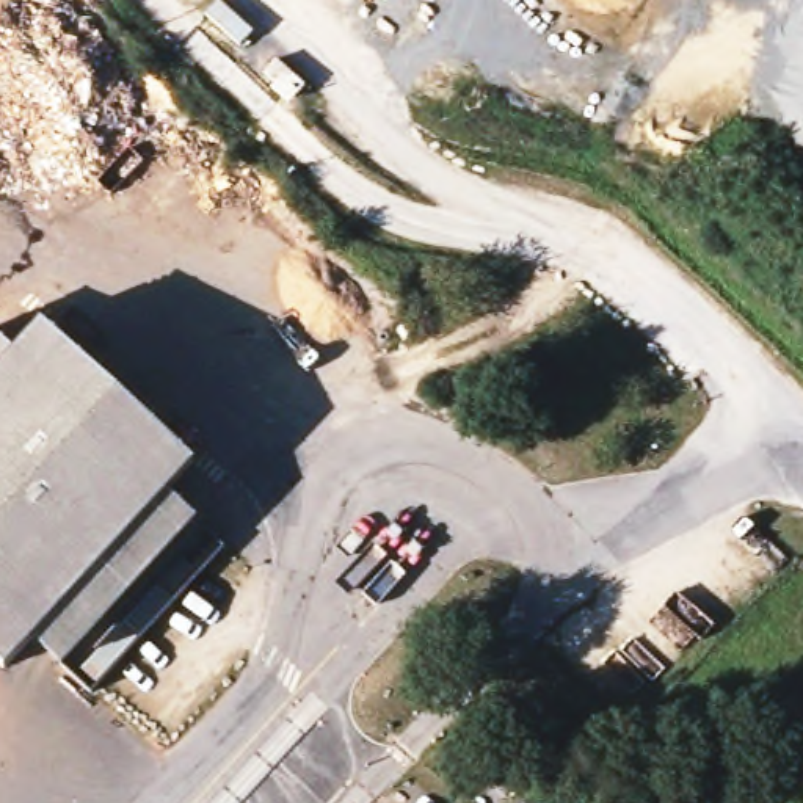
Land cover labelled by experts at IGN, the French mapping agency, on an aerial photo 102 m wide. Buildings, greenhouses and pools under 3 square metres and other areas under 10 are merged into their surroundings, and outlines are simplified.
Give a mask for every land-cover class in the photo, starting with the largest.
<instances>
[{"label":"impervious surface","instance_id":"1","mask_svg":"<svg viewBox=\"0 0 803 803\"><path fill-rule=\"evenodd\" d=\"M329 16L311 38H304L292 19H279L273 35L282 41L289 53H311L317 63L329 69V82L323 85L329 122L342 135H348L361 151H367L380 166L436 198V207L405 201L383 220V226L386 232L408 242L458 251H508L518 238H540L546 245L549 267H565L568 273L590 279L596 292H602L609 301L634 323L652 326L659 345L684 370V376H703L712 402L703 423L684 439V445L674 452V455H671V458H668V461H665L662 467H656V471H637L605 477L574 483H540L514 455L477 436H461L449 408H433L420 395V380L442 367L436 364L433 345L427 342H411L408 326L395 314L398 298L386 295L361 270V263L345 257L342 251L323 248L314 238L311 226L285 204L279 185L267 176L260 179V207L267 210V216L257 226L251 210L242 207L201 210V173L188 166L160 169L157 163L141 182L122 191H110L100 204H94L78 185L22 194L28 216L38 226L28 235H22L19 226L6 216V207H0V332L6 339H16L31 320H53L191 452L188 461L169 477L176 483V492L191 505V521L135 577V583L85 630V637L66 652V659H60L50 649H41L38 640L25 637L0 662V803H430L427 790L411 784L405 772L430 747L436 743V737H442L449 725L442 715L423 712L414 715V721L405 731L392 734L386 743L376 740L373 731H367L354 718V690L361 674L398 637L405 621L417 609L433 602L455 571L477 558H496L511 565V571L499 577L480 599L477 612L489 618V627L496 630V643L502 649V659L496 662V681L511 678L518 699L555 696L558 703L587 709L593 715L630 706H671L656 674H662L674 659L678 646L684 643V630L715 637L725 627H731V602L750 599V587L756 577H768L775 565L803 571V549H794L775 530V505L803 508V386L784 373V361L778 358V351H765L762 342H756L709 292L693 285L668 257H662L652 248L643 245L621 220L609 213L602 210L546 191L496 185L489 179L471 176L467 169L464 160L452 151H439V144H427L420 138L417 122L408 113V100L389 82L380 53L358 38L364 31L367 6L354 0H323Z\"/></svg>","mask_w":803,"mask_h":803},{"label":"pervious surface","instance_id":"2","mask_svg":"<svg viewBox=\"0 0 803 803\"><path fill-rule=\"evenodd\" d=\"M104 9L97 0H0V207H6V216L19 226L22 235H28L38 226L28 216L22 194L78 185L94 204H100L110 191H122L141 182L157 163L160 169L188 166L201 173V210L242 207L251 210L257 226L267 216V210L260 207V179L267 176L260 166L229 163L226 141L210 129L194 125L157 75L144 78L147 100L141 116H132V94L125 85H110L107 94H97L91 88V69L85 60L97 53L100 44V31L91 25V19ZM144 6L166 25V31L182 35L188 44L194 38H204L232 66H238L270 100L295 113L304 129L317 132L348 166H354L370 182L383 185L386 191L405 201L436 207V198L380 166L367 151H361L348 135H342L329 122L323 85L329 82V69L317 63L311 53H289L282 41L273 35L279 19H292L304 38H311L329 16L323 0H144ZM267 63H285L301 78L295 97L279 94L273 88V82L263 75ZM367 6L364 31L358 38L380 53L389 82L408 100L411 91L449 100L458 78L483 75L492 85L511 88V107L540 110L546 104H565L574 113H583L590 122L609 119L618 129V141L612 147L621 157V163L630 166L637 176L656 182H662V176L671 169L684 141H706L712 129L721 125V119H728L731 113L778 119L794 129L797 144L803 147V0H354ZM471 176L489 179L496 185L546 191L602 210L605 204L580 182L527 169H505L496 163L467 169ZM609 213L621 220L643 245L652 248L656 242L630 210L612 207ZM508 251L524 254L527 260H533L536 270L533 282L524 289L518 304H511L505 314L480 317L467 326L433 336L427 342L433 345L436 364L442 367H449L467 364L486 351H499L508 345L533 332L546 317L574 304V298H590L593 304L609 301L602 292H596L590 279L568 273L565 267H549L546 245L540 238H518ZM687 386L678 402L646 405L640 417V423L668 420L684 439L703 423L712 402L703 376H684ZM540 483H574L605 477L580 436L555 442H543L536 449L514 455ZM671 455H674V452H671V449H668L665 442H649V452H646V458L640 461V467H637V471H656V467H662L665 461H668V458H671ZM511 571V565L496 558H477L455 571L433 602H452L461 596L480 599L499 577ZM405 668V640L398 637L361 674L354 690V718L367 731H373L376 740L386 743L392 734L405 731L414 721V715L423 712L395 684ZM411 784L427 790L430 803H436L449 794V781L439 775V756L430 747L405 772Z\"/></svg>","mask_w":803,"mask_h":803},{"label":"brushwood","instance_id":"3","mask_svg":"<svg viewBox=\"0 0 803 803\"><path fill-rule=\"evenodd\" d=\"M104 9L91 19V25L100 31V44L97 53L85 60L91 69V88L97 94H107L110 85H125L132 94V116H141L147 100L144 78L157 75L194 125L210 129L226 141L229 163L260 166L267 176L279 185L285 204L311 226L314 238L323 248L342 251L345 257L361 263V270L386 295L398 298L395 314L408 326L411 342H427L433 336L467 326L480 317L505 314L511 304H518L524 289L533 282L536 270L533 260H527L524 254L508 251H458L408 242L386 232L383 226L370 220L364 210H351L336 194H329L311 163H301L276 141H257L260 122L232 91H226L191 56L188 44L182 35L166 31V25L144 6V0H97ZM659 198L668 201L674 213L687 216V223L703 226L709 251L728 254L762 295L781 301L784 311L794 314L803 326V147L797 144L794 129L778 119L731 113L728 119H721V125L712 129L706 141H684L671 169L662 176V182H656ZM527 367V373L549 389V398L561 411V417L549 420V436L555 442L580 436L605 477L637 471V467H640V461L646 458V452H649V442H665L668 449H671V452H674L684 445V439L668 420L640 423V417L646 405L678 402L687 386L684 376V370L659 345L652 326L634 323L609 301L593 304L590 298H574V304L546 317L533 332L508 345ZM420 395L433 408H449L455 405V373L449 367H442L420 380ZM721 643L715 637L684 630V643L678 646L674 659L681 668L693 665L699 656L712 652Z\"/></svg>","mask_w":803,"mask_h":803},{"label":"building","instance_id":"4","mask_svg":"<svg viewBox=\"0 0 803 803\"><path fill-rule=\"evenodd\" d=\"M191 56L226 91H232L260 122L257 141H276L301 163H311L329 194H336L351 210H364L370 220L383 226V220L405 201L386 191L383 185L370 182L354 166H348L317 132L304 129L295 113L270 100L238 66H232L204 38H194L188 44ZM263 75L273 82V88L279 94L295 97L301 78L285 63H267ZM191 452L53 320H31L16 339H6L0 332V662L25 637L38 640L41 649H50L60 659H66V652L85 637V630L135 583V577L191 521V505L176 492V483L169 477L188 461Z\"/></svg>","mask_w":803,"mask_h":803},{"label":"deciduous trees","instance_id":"5","mask_svg":"<svg viewBox=\"0 0 803 803\"><path fill-rule=\"evenodd\" d=\"M455 373V405L449 408L461 436H477L514 455L536 449L543 442H555L549 436V420L561 417V411L549 398V389L527 373V367L508 345L499 351H486L467 364L449 367ZM480 599L461 596L452 602H433L417 609L405 621L398 637L405 640V668L395 684L423 712L442 715L449 725L442 737H436V743L430 747L439 756V775L449 781V794L436 803H803V734H775L784 712L768 696L772 671H753V681L737 696L709 690V706L696 718L671 706H630L593 715L587 728L574 737L571 753L565 759L558 750L530 740V734L514 718V709L496 699V662L502 659V649L496 643V630L489 627V618L477 612Z\"/></svg>","mask_w":803,"mask_h":803},{"label":"herbaceous vegetation","instance_id":"6","mask_svg":"<svg viewBox=\"0 0 803 803\"><path fill-rule=\"evenodd\" d=\"M511 88L492 85L483 75L458 78L449 100L411 91L408 100V113L417 122L420 138L427 144H439V151H452L464 160L467 169L496 163L505 169H527L580 182L605 204L602 210L609 213L612 207L630 210L656 242L652 248L662 257H668L693 285L709 292L756 342H762L765 351H778V358L784 361V373L803 386V326L794 314L784 311L781 301L762 295L728 254L709 251L703 226L687 223V216L674 213L668 201L659 198L656 182L637 176L630 166L621 163V157L612 147L618 141V129L609 119L590 122L583 113H574L565 104H546L540 110L511 107ZM775 530L794 549H803V508L775 505ZM731 627H725L715 637L721 643L712 652L699 656L693 665L681 668L674 659L662 674H656L671 706L696 718L709 706V690L737 696L753 681V671H772L768 696L784 712L775 734H803V571L775 565L768 577H756L750 587V599L731 602ZM496 699L514 709V718L530 734V740L558 750L565 759L571 753L574 737L587 728L593 715L587 709L558 703L555 696L518 699L511 678L496 681Z\"/></svg>","mask_w":803,"mask_h":803}]
</instances>
